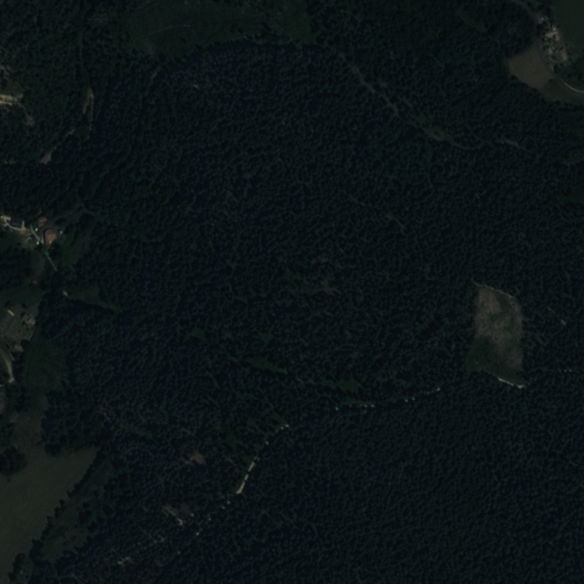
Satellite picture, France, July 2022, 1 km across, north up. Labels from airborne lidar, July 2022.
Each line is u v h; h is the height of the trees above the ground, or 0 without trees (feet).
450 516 83
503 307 0
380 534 75
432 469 88
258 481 59
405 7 22
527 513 95
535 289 63
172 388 77
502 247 77
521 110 91
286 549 83
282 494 86
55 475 0
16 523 0
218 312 79
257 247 82
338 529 92
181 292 43
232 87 108
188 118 62
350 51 84
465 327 108
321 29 29
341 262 93
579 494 85
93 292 0
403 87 75
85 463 0
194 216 48
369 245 33
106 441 84
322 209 78
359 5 37
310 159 103
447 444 75
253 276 71
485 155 50
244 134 82
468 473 80
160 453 104
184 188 57
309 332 86
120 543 90
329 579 74
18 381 70
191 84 82
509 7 52
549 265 65
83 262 47
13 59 30
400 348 102
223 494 40
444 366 33
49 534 25
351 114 84
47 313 26
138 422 112
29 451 0
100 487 0
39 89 55
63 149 33
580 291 91
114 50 32
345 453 86
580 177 57
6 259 27
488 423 74
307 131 50
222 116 98
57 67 73
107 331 101
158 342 110
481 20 23
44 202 74
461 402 73
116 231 74
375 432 85
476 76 81
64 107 73
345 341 80
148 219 83
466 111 71
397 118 57
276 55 82
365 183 42
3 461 56
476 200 83
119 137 85
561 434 87
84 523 66
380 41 66
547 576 107
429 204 83
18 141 67
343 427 77
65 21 87
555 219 104
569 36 0
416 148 158
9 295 0
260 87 71
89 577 86
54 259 62
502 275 76
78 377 103
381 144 140
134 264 93
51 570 134
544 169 60
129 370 107
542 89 0
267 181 90
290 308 26
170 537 84
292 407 50
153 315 50
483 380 76
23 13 64
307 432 74
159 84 66
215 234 97
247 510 68
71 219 0
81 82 91
